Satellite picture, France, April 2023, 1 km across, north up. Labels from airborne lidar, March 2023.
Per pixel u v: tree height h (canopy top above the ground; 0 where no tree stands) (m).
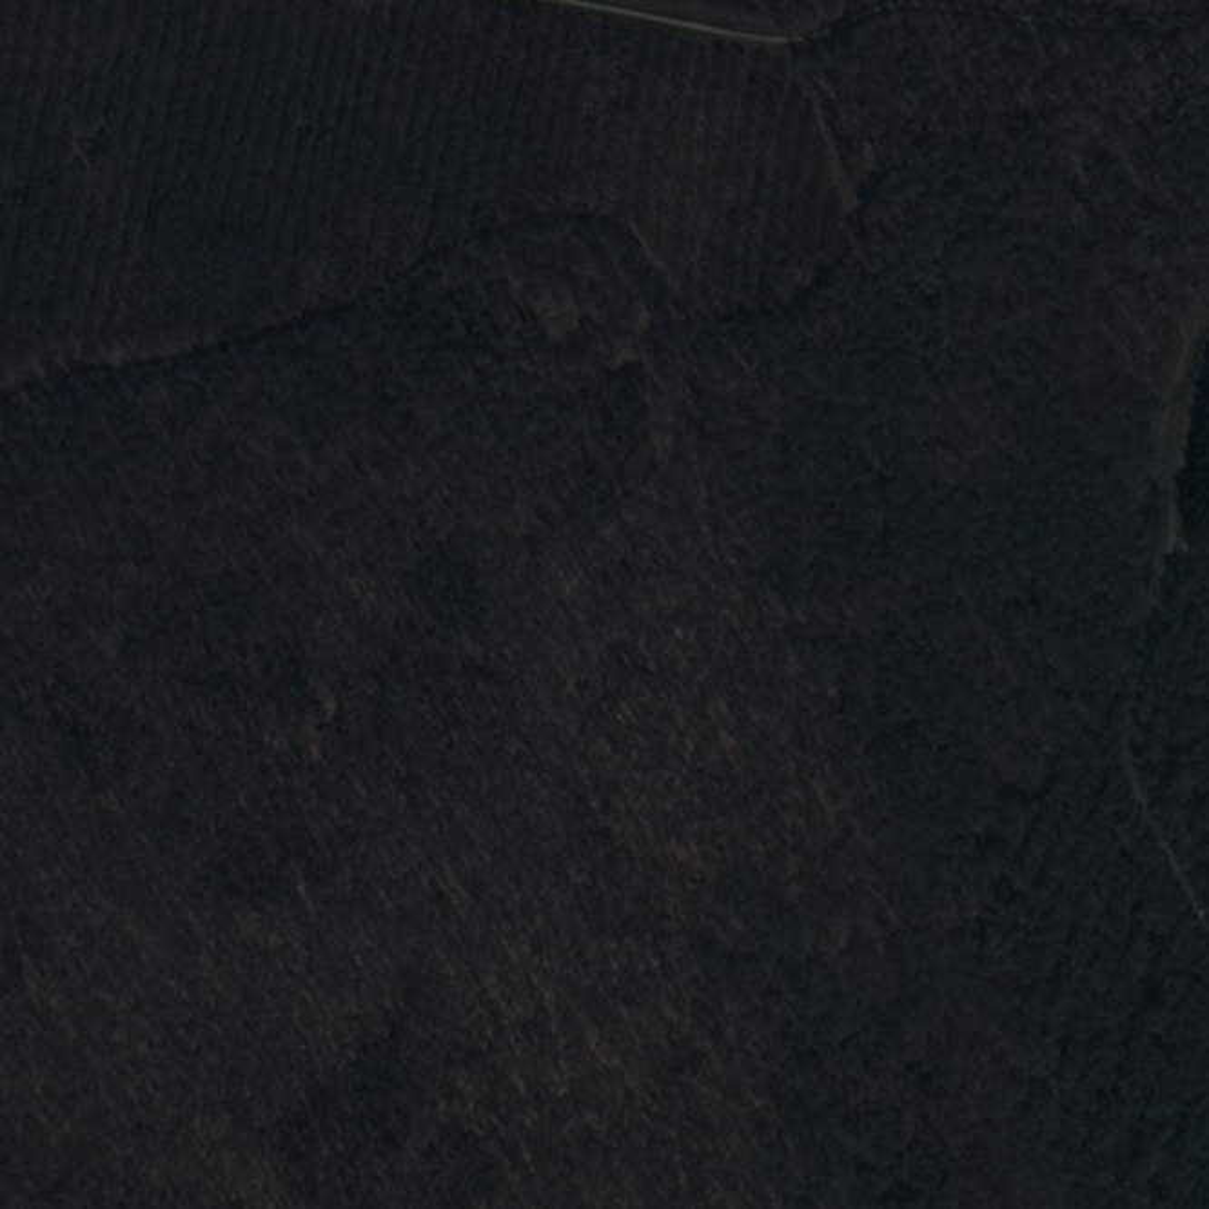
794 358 26
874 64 26
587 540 25
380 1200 24
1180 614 23
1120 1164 26
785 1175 27
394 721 18
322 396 21
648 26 0
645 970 27
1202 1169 21
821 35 0
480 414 26
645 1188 27
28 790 23
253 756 22
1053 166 23
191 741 22
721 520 26
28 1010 27
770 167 13
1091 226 28
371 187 17
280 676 20
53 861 20
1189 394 0
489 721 22
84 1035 27
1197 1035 19
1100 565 24
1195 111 26
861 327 16
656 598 22
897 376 22
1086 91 26
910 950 21
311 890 22
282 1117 23
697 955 25
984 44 29
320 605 15
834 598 28
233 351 15
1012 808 24
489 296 25
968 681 30
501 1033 26
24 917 21
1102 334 26
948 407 31
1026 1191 24
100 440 19
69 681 21
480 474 25
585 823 22
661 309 31
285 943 23
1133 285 28
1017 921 19
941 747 22
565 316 0
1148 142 25
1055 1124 25
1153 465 24
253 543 22
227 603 23
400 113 16
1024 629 24
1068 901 24
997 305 26
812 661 26
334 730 21
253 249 19
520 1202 23
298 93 12
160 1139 25
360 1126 22
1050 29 24
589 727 25
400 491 25
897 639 24
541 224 22
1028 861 23
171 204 21
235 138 12
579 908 27
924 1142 23
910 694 26
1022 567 21
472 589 20
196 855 24
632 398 24
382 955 25
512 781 23
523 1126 27
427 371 24
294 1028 21
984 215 22
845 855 25
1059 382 23
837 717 27
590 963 31
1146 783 20
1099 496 27
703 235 18
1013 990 25
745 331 23
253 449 21
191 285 20
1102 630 26
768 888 23
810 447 27
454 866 20
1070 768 25
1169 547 0
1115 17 23
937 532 27
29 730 23
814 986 23
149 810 21
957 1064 23
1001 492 24
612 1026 28
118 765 22
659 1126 24
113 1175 22
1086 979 24
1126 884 22
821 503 24
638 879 31
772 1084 26
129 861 25
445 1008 22
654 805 26
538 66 15
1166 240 25
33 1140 22
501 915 26
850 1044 18
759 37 0
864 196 12
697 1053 28
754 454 25
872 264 21
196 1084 22
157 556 21
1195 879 22
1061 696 24
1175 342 24
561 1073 29
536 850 26
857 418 26
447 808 22
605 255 29
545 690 25
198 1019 22
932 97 25
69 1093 28
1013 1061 17
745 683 22
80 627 20
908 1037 22
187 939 26
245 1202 18
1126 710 21
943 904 28
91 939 26
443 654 20
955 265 22
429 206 18
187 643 20
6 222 11
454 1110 28
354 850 22
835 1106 27
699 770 29
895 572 26
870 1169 25
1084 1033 24
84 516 20
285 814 24
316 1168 23
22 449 18
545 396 19
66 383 23
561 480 25
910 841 23
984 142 27
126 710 22
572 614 26
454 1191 22
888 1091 16
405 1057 24
